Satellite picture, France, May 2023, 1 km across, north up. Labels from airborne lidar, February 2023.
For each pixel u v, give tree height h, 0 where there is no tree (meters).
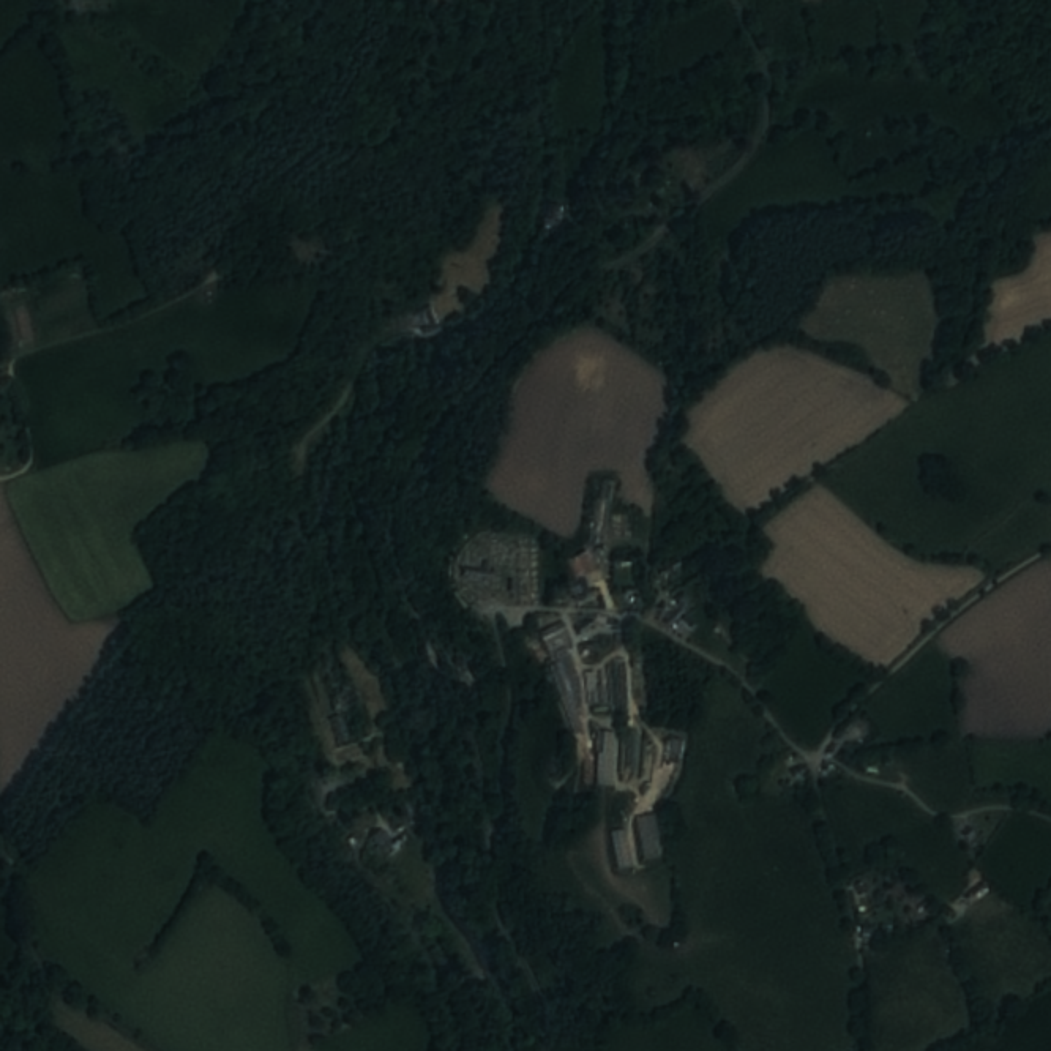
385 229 13
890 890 14
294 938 0
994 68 12
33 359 0
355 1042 0
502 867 14
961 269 20
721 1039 16
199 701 20
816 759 0
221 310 0
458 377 40
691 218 13
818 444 0
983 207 22
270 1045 0
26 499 0
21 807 21
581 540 0
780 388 0
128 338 0
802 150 0
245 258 10
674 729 9
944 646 0
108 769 21
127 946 0
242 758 0
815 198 0
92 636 0
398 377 17
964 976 16
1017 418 0
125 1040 0
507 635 8
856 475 0
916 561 12
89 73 0
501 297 18
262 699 22
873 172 8
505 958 23
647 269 7
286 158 25
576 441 0
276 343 0
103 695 19
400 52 13
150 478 0
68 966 0
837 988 0
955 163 19
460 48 20
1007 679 0
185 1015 0
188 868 0
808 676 0
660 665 8
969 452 0
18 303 0
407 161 22
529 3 25
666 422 8
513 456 0
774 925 0
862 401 0
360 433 15
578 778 0
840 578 0
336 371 11
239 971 0
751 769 0
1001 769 0
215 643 22
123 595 0
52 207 0
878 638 0
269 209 16
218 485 20
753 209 0
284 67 23
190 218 21
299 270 12
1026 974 0
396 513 20
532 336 25
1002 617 0
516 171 30
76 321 0
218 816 0
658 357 6
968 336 19
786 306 21
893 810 0
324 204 20
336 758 0
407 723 15
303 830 24
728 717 0
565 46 12
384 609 10
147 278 12
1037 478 0
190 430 23
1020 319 0
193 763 15
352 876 20
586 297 7
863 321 0
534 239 14
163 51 0
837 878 13
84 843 0
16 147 0
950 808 0
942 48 9
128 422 0
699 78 16
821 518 0
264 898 0
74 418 0
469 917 25
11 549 0
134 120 0
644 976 0
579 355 0
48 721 0
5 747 0
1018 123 17
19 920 35
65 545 0
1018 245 15
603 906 0
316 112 24
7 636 0
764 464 0
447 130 15
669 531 9
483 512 21
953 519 0
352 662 0
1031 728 0
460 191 19
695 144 8
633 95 25
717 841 0
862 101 0
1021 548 0
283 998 0
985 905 0
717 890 0
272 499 21
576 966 19
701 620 0
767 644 15
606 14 12
